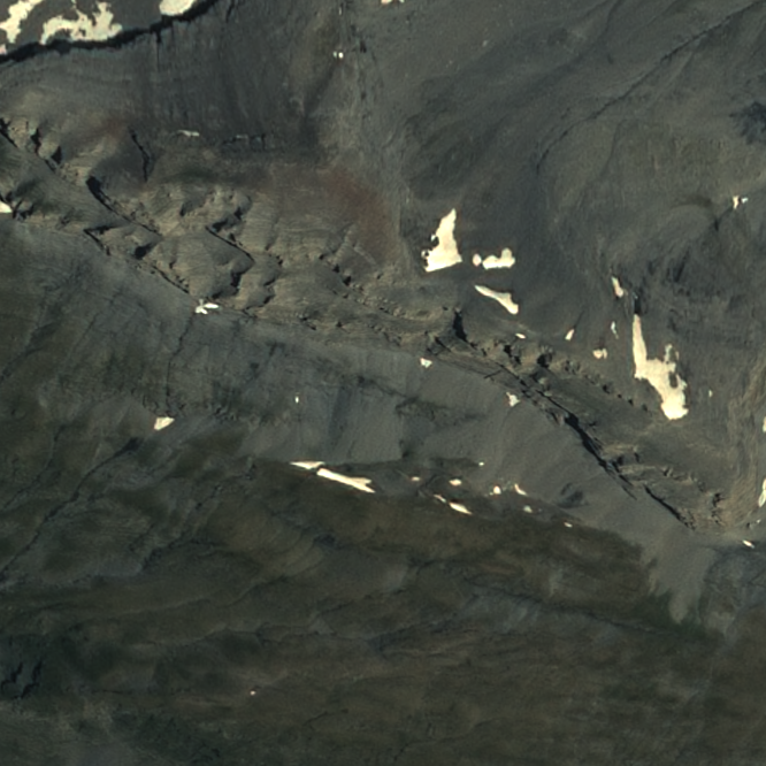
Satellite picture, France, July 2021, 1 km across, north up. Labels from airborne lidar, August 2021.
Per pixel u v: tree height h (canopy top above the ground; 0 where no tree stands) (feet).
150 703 0
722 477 0
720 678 0
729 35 0
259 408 0
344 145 0
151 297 0
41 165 0
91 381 0
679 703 0
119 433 0
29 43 0
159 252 0
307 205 0
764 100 0
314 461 0
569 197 0
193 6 0
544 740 0
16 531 0
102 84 0
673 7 0
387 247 0
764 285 0
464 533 0
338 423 0
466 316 0
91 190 0
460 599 0
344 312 0
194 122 0
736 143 0
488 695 0
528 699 0
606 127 0
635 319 0
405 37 0
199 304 0
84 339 0
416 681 0
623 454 0
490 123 0
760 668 0
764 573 0
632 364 0
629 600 0
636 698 0
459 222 0
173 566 0
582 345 0
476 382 0
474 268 0
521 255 0
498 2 0
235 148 0
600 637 0
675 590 0
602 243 0
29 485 0
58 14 0
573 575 0
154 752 0
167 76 0
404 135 0
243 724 0
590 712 0
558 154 0
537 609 0
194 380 0
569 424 0
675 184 0
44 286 0
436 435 0
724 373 0
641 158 0
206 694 0
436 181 0
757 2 0
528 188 0
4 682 20
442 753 0
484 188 0
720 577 0
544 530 0
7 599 0
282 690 0
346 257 0
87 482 0
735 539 0
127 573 0
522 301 0
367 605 0
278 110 0
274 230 0
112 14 0
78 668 0
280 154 0
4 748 0
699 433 0
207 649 0
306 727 0
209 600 0
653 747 0
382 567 0
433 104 0
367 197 0
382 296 0
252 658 0
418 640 0
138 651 0
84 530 0
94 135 0
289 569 0
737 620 0
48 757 0
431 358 0
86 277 0
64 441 0
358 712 0
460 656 0
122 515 0
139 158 0
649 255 0
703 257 0
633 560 0
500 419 0
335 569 0
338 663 0
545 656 0
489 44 0
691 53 0
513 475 0
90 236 0
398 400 0
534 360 0
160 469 0
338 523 0
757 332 0
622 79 0
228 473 0
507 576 0
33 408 0
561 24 0
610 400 0
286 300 0
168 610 0
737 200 0
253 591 0
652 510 0
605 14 0
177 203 0
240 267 0
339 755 0
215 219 0
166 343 0
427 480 0
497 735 0
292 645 0
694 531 0
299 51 0
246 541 0
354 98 0
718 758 0
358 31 0
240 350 0
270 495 0
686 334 0
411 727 0
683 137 0
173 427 0
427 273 0
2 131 0
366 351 0
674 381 0
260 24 0
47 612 0
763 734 0
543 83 0
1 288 0
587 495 0
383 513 0
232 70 0
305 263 0
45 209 0
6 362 0
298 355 0
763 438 0
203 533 0
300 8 0
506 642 0
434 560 0
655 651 0
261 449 0
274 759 0
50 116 0
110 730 0
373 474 0
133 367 0
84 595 0
